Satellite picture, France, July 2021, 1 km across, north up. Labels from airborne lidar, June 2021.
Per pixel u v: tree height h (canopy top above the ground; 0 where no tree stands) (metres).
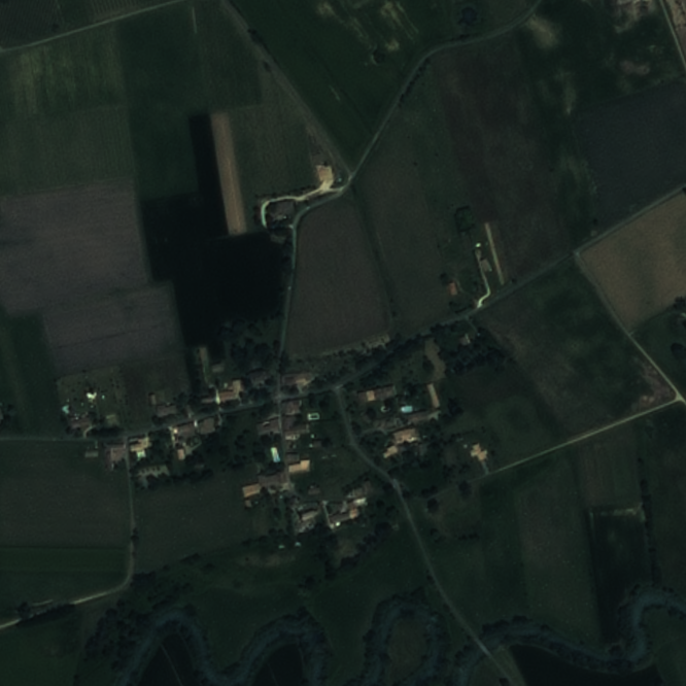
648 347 0
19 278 0
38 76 0
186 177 0
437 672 15
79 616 0
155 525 0
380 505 14
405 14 0
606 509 0
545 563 0
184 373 0
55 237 0
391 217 0
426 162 0
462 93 0
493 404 0
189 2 0
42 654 0
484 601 0
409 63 0
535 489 0
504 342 0
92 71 0
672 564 0
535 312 0
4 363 0
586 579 0
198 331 0
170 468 7
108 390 0
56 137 0
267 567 0
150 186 0
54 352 0
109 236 0
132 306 0
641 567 0
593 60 0
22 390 0
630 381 0
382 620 9
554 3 0
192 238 0
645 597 0
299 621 11
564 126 0
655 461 0
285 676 0
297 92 0
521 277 0
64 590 0
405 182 0
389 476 10
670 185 0
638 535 0
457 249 0
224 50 0
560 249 0
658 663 0
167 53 0
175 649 0
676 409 0
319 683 8
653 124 0
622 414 0
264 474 8
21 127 0
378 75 0
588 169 0
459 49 0
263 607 0
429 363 8
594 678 0
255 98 0
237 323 11
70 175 0
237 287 0
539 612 0
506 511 0
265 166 0
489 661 0
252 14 0
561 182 0
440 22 0
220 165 0
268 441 12
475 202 0
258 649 0
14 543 0
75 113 0
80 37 0
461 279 0
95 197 0
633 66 0
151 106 0
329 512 9
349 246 0
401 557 0
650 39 0
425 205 0
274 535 9
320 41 0
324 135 0
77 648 0
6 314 0
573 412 0
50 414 0
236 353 19
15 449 0
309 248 0
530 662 0
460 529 0
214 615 0
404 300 0
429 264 0
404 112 0
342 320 0
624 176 0
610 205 0
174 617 0
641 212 0
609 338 0
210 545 0
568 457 0
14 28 0
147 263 0
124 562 0
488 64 0
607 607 0
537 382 0
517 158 0
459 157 0
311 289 0
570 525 0
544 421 0
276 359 7
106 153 0
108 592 0
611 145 0
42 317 0
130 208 0
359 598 0
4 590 0
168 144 0
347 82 0
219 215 0
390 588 0
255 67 0
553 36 0
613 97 0
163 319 0
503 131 0
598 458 0
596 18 0
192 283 0
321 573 0
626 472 0
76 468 0
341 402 0
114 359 0
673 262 0
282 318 13
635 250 0
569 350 0
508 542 0
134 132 0
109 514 0
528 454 0
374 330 0
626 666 16
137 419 0
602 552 0
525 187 0
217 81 0
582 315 0
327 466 0
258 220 7
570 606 0
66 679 0
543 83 0
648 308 0
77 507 0
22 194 0
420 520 0
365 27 0
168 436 7
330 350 0
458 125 0
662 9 0
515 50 0
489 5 0
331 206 0
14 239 0
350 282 0
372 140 0
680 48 0
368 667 6
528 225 0
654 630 0
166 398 0
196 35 0
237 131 0
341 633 0
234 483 0
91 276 0
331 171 0
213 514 0
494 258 0
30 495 0
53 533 0
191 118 0
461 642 0
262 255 0
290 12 0
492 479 0
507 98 0
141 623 26
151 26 0
